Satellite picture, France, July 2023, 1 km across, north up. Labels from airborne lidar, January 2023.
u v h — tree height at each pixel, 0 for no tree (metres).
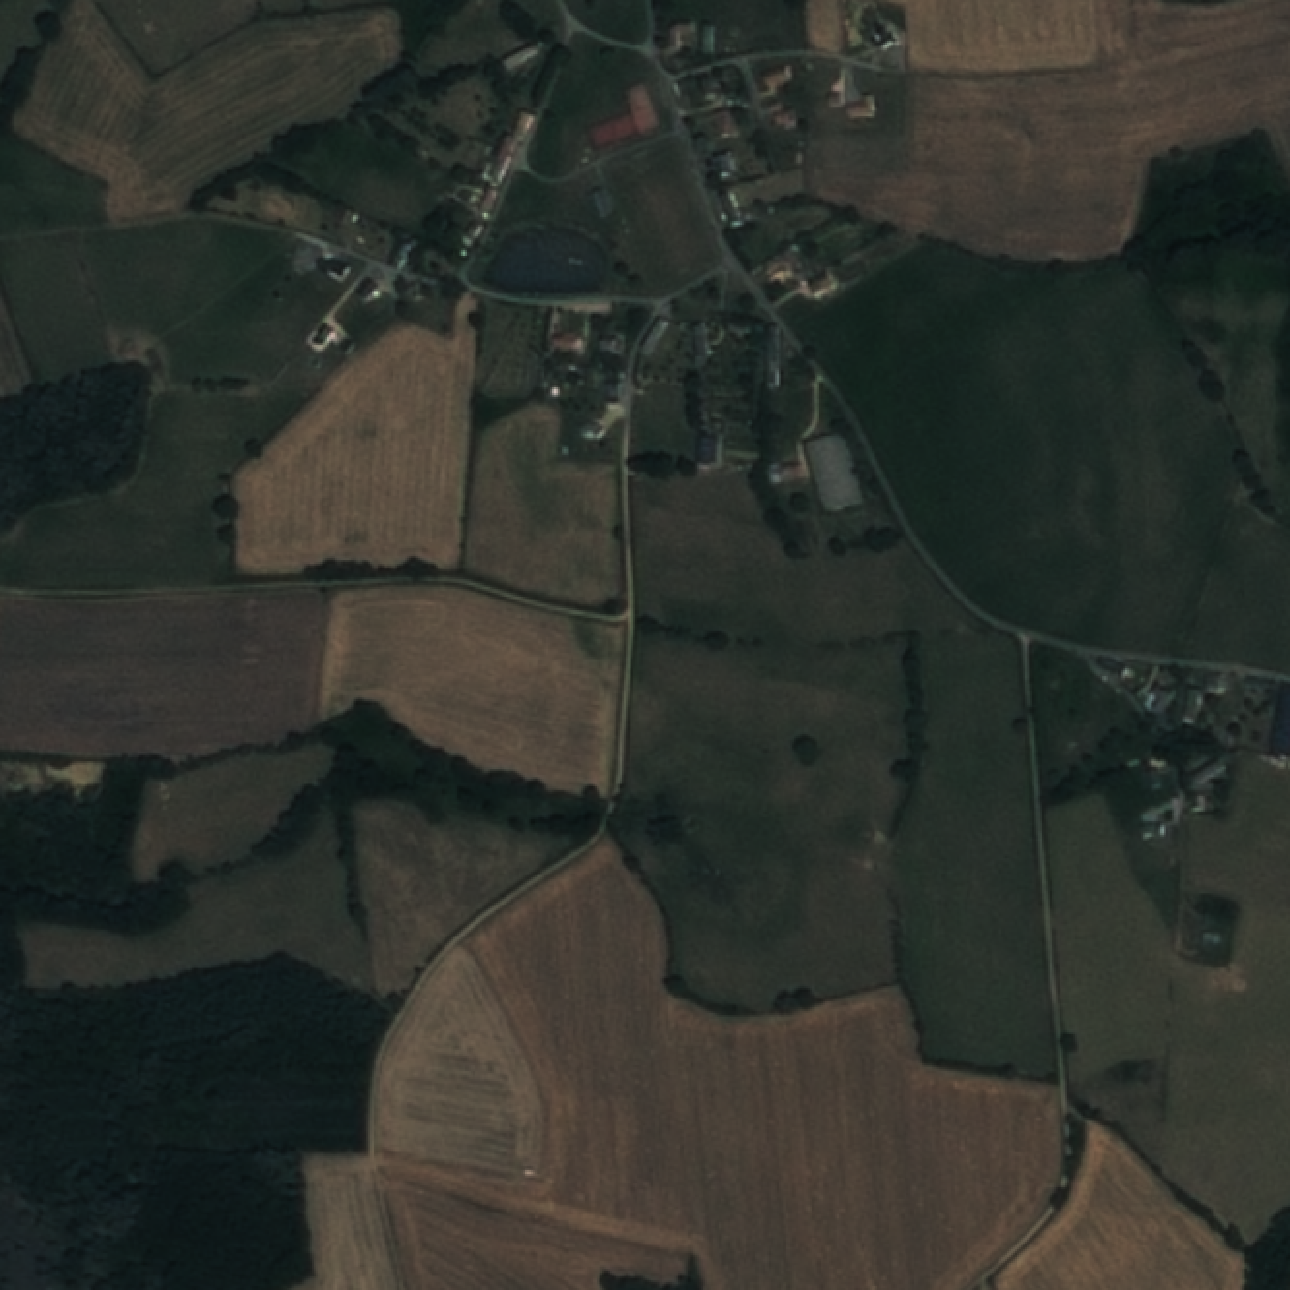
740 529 0
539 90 8
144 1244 19
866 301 0
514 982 0
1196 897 0
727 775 0
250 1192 20
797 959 0
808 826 0
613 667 0
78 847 16
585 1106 0
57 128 0
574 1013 0
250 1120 0
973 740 0
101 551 0
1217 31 0
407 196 0
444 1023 0
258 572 0
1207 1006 0
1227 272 0
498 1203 0
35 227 0
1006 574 0
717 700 0
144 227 0
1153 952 0
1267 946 0
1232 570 0
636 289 9
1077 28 0
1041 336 0
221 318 0
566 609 0
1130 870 0
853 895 0
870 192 0
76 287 0
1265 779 0
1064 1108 0
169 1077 7
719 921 0
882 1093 0
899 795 0
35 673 0
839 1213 0
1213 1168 0
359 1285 0
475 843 0
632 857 6
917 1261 0
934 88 0
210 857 0
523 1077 0
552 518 0
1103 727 0
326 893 0
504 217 0
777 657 0
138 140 0
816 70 0
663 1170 0
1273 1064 0
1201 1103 0
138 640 0
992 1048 0
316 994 15
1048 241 0
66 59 0
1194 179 0
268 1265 21
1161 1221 0
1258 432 0
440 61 0
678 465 16
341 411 0
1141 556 0
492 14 0
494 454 0
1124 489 0
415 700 0
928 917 0
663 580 0
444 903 0
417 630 0
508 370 0
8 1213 0
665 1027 0
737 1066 0
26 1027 16
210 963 0
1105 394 0
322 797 16
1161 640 0
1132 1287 0
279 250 0
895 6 0
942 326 0
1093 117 0
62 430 14
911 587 0
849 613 0
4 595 0
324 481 0
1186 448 0
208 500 0
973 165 0
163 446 0
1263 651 0
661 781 0
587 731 0
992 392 0
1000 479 0
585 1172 0
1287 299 0
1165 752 10
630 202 0
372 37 0
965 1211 0
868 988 0
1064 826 0
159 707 0
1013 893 0
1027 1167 0
